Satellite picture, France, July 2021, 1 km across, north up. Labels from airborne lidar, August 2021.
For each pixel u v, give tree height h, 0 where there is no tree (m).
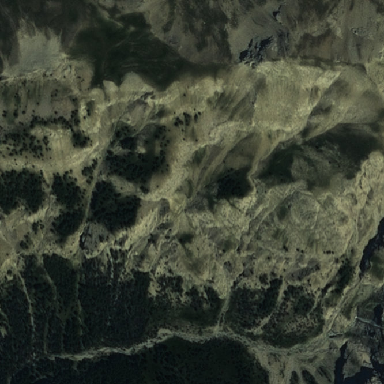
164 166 0
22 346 16
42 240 0
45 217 0
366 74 0
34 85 0
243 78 0
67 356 0
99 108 0
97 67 0
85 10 0
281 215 0
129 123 0
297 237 0
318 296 0
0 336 15
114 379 26
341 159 0
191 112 0
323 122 0
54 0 0
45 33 0
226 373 0
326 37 0
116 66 0
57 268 18
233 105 0
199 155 0
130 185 0
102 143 0
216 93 0
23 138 8
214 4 0
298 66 0
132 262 0
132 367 26
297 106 0
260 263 0
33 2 0
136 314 18
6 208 11
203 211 0
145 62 0
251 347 0
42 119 10
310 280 0
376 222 0
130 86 0
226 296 0
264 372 9
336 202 0
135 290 12
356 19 0
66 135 0
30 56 0
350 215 0
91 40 0
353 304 0
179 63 0
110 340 10
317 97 0
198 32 0
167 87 0
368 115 0
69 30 0
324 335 0
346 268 16
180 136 0
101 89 0
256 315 12
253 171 0
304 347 0
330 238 0
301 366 0
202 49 0
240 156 0
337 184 0
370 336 0
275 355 0
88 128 0
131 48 0
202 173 0
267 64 0
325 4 0
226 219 0
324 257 0
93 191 0
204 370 6
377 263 0
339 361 0
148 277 8
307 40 0
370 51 0
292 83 0
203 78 0
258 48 0
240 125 0
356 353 0
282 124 0
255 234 0
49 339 13
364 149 0
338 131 0
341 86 0
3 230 0
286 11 0
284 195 0
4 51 0
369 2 0
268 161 0
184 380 8
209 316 0
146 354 9
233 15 0
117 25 0
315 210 0
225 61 0
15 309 21
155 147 0
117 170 13
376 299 0
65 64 0
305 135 0
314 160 0
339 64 0
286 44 0
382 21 0
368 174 0
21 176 15
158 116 0
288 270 0
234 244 0
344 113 0
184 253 0
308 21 0
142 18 0
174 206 0
